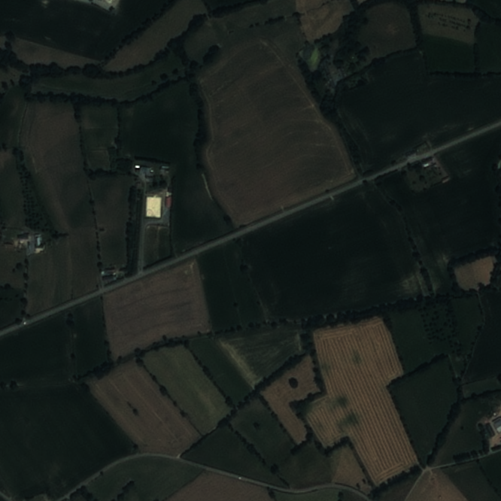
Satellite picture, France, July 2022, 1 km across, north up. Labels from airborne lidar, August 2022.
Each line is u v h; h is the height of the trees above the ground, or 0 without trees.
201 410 0
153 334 0
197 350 0
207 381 0
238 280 0
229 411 0
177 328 0
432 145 0
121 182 0
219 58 0
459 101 0
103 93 0
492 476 0
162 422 0
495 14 0
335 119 15
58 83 0
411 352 0
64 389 0
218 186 0
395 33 0
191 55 0
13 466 0
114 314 0
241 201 0
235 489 0
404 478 20
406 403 0
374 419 0
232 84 0
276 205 0
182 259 0
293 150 0
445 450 0
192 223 0
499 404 0
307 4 0
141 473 0
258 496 0
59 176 0
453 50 0
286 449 0
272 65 0
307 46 5
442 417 0
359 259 0
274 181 0
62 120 0
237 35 0
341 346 0
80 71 14
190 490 0
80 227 0
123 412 0
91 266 0
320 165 0
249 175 0
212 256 0
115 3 0
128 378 0
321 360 0
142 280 0
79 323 0
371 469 0
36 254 0
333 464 0
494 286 6
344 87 7
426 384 0
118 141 16
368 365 0
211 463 0
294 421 0
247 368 0
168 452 0
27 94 9
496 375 0
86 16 0
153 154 0
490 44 0
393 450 0
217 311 0
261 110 0
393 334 6
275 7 0
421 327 0
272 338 0
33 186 8
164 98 0
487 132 0
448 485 0
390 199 6
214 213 0
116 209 0
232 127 0
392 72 0
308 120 0
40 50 0
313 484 0
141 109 0
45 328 0
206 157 0
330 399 0
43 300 0
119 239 0
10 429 0
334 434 0
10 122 0
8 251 0
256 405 0
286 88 0
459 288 18
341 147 0
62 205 0
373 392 0
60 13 0
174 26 0
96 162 0
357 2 16
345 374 0
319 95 11
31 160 0
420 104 0
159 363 0
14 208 0
